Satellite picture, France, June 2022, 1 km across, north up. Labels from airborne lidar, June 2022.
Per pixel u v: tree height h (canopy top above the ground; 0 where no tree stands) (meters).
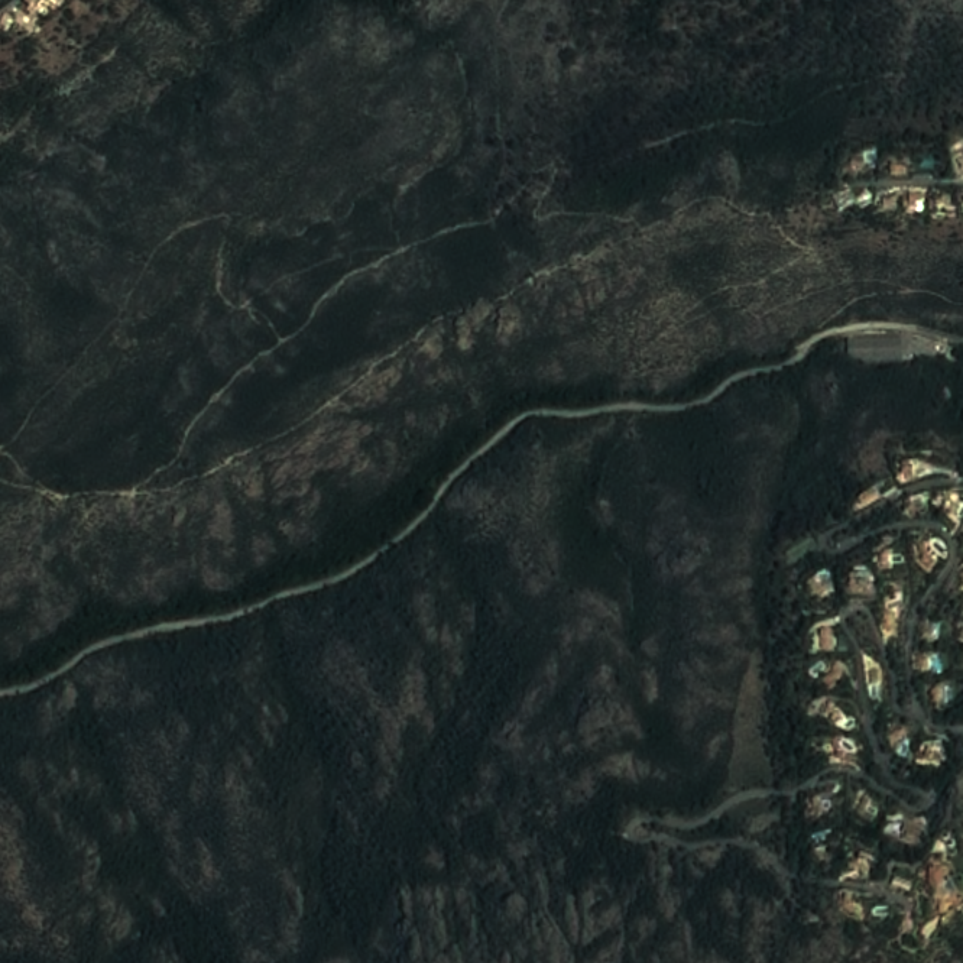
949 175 11
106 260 0
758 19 10
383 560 7
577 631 0
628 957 8
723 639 0
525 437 6
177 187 0
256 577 6
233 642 12
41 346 0
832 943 0
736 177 0
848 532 10
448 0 0
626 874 9
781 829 13
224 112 0
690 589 0
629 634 8
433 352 0
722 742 0
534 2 0
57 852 6
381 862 6
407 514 16
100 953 7
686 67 14
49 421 0
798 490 12
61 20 7
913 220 6
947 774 10
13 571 0
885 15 12
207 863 0
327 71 0
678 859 11
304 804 6
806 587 9
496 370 5
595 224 0
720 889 10
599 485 8
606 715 0
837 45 15
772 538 12
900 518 12
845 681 10
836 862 9
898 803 12
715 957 0
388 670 6
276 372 0
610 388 11
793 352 8
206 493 0
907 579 5
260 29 7
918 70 13
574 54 21
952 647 6
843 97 13
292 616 6
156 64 8
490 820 7
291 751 10
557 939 0
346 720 13
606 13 11
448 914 18
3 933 8
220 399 0
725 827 10
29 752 9
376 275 0
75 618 9
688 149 13
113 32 16
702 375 9
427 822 12
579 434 9
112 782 14
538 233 6
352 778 10
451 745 10
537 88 0
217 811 6
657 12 6
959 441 0
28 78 8
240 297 0
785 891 7
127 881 9
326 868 11
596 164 12
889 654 9
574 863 9
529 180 14
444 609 7
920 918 12
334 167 0
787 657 9
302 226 0
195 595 12
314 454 0
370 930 11
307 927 6
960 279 8
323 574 13
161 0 8
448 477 9
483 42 0
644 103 18
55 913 6
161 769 8
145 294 0
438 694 7
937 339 0
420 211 0
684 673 0
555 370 0
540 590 0
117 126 6
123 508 0
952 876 7
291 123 0
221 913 6
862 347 0
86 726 19
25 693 15
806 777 9
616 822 13
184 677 10
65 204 0
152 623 9
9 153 7
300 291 0
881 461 0
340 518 7
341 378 0
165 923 10
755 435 0
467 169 0
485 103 0
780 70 16
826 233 9
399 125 0
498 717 10
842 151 8
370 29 0
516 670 9
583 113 9
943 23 11
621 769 0
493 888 11
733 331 0
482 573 10
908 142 8
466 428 8
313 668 6
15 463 0
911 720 9
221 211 0
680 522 0
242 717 8
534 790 7
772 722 11
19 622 6
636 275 0
